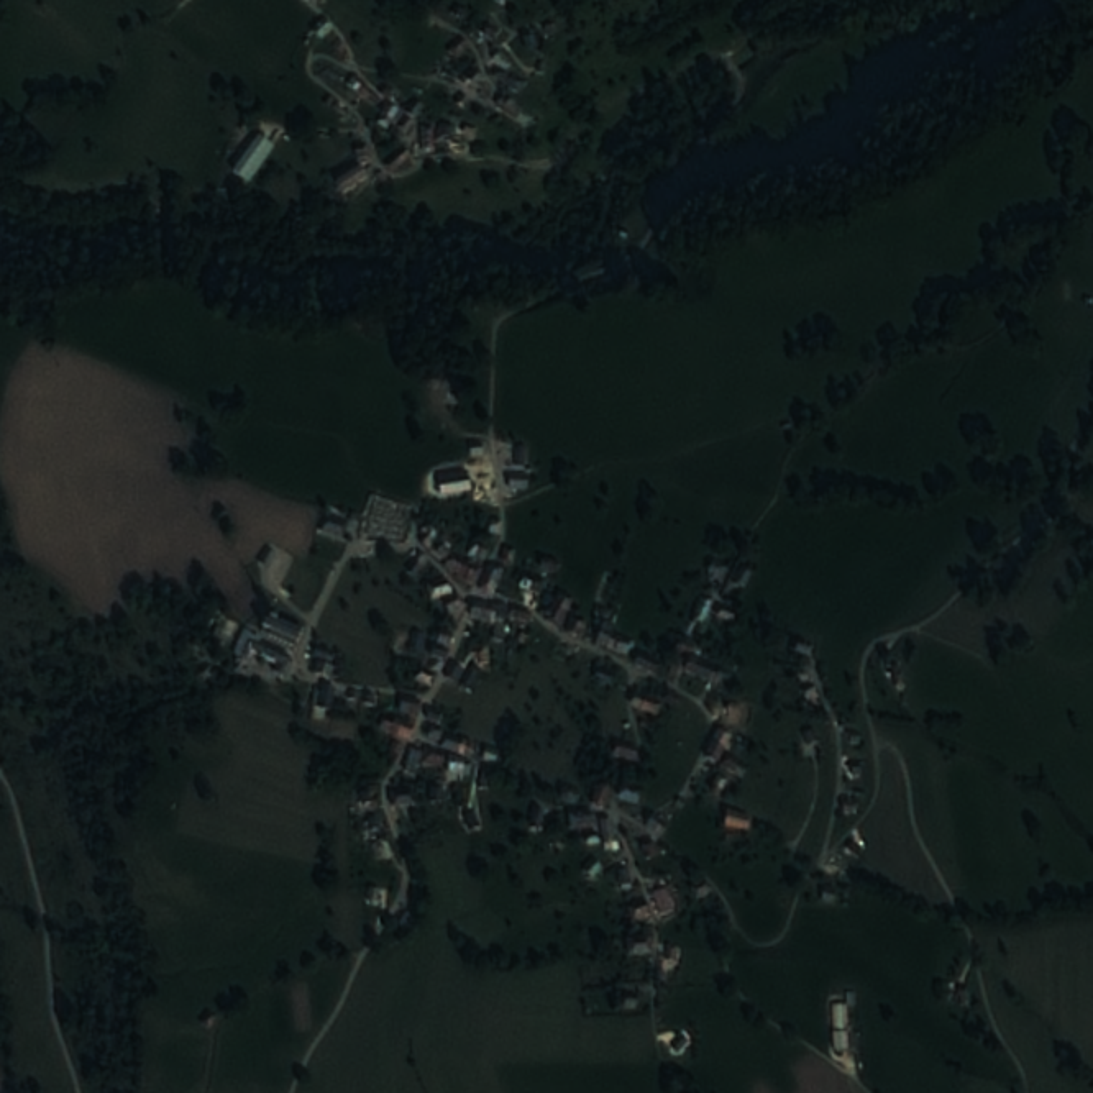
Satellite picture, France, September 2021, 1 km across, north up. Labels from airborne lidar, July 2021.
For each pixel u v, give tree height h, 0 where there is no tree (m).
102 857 8
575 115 16
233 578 0
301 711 11
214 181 0
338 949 7
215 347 0
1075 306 0
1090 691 0
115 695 11
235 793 0
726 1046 0
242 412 15
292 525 0
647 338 0
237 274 37
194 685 7
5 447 0
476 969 18
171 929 0
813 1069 0
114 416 0
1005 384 0
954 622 0
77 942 16
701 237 36
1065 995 0
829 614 0
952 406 0
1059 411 0
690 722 0
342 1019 0
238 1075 0
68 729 20
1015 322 15
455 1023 0
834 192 33
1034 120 0
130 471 0
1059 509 18
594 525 0
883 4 30
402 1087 0
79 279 23
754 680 0
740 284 0
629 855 0
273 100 0
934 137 38
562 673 0
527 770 0
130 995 11
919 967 0
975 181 0
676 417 0
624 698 0
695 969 0
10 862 0
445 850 0
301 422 0
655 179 0
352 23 0
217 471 22
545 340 0
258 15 0
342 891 0
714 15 28
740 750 0
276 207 13
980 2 32
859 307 0
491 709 0
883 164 40
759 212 36
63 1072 0
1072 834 0
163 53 0
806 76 0
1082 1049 0
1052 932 0
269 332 24
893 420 0
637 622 0
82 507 0
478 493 0
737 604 11
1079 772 0
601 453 0
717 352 0
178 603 13
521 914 0
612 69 0
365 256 33
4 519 17
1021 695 0
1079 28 7
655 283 23
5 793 0
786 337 0
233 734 0
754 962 0
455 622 7
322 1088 0
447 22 0
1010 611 0
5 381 0
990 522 0
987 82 30
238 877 0
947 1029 0
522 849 13
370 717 6
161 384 0
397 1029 0
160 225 14
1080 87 0
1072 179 18
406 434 0
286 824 0
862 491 17
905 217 0
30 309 17
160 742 0
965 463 0
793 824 0
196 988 0
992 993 0
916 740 0
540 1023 0
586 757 7
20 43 0
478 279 30
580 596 0
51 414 0
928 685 0
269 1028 0
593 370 0
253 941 0
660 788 0
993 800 0
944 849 0
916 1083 0
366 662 0
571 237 8
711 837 0
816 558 0
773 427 0
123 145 0
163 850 0
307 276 31
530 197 0
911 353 13
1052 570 0
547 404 0
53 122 0
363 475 0
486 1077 0
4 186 21
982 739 0
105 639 11
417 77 0
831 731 0
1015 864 0
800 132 0
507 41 0
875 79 0
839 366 0
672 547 0
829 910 0
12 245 34
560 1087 0
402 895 0
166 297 0
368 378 0
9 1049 7
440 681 0
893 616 0
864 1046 0
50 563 0
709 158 0
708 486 0
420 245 30
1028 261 0
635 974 0
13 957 0
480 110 12
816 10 30
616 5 26
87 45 0
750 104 0
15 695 11
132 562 0
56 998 0
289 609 0
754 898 7
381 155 0
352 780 15
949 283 0
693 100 31
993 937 0
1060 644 0
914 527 0
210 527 0
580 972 0
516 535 0
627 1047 0
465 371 27
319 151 0
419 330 33
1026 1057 0
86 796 8
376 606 0
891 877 0
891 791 0
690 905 8
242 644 0
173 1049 0
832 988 0
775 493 0
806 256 0
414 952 0
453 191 0
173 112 0
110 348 0
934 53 19
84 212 23
